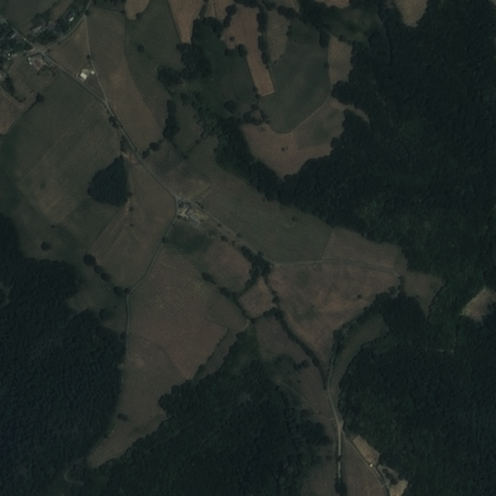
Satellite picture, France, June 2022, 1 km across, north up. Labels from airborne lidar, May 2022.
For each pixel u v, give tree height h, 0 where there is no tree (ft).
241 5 45
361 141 61
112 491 51
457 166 61
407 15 0
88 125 0
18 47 40
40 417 58
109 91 0
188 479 75
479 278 46
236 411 41
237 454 54
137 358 0
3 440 51
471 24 92
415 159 45
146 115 0
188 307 0
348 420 49
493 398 46
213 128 26
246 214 0
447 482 29
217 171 0
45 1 0
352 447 0
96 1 36
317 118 0
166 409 52
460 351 63
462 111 82
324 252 0
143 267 0
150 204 0
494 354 97
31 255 0
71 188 0
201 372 24
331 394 0
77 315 37
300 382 20
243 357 0
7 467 44
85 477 41
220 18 0
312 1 34
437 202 74
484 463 61
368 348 61
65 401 62
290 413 59
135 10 0
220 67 0
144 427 0
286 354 0
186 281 0
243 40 0
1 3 0
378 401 64
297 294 0
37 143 0
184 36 0
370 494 0
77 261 0
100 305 0
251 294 0
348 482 0
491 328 101
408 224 56
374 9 0
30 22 0
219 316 0
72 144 0
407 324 60
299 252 0
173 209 0
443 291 55
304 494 0
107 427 23
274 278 0
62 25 40
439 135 111
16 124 0
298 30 0
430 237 61
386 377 93
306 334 0
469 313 0
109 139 0
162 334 0
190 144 0
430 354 59
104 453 0
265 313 26
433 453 62
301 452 64
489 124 79
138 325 0
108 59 0
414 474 41
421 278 0
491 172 68
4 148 0
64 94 0
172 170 0
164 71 27
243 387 47
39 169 0
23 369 65
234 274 0
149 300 0
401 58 63
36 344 21
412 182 29
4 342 78
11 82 39
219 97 0
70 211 0
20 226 0
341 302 0
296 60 0
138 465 52
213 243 0
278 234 0
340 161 77
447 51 81
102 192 71
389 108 56
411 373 94
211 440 35
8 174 0
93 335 50
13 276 53
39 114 0
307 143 0
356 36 0
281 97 0
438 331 22
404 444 54
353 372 52
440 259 70
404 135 51
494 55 58
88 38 0
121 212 0
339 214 56
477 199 76
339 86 52
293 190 79
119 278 0
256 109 35
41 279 65
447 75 72
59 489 0
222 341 23
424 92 85
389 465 51
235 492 102
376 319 0
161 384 0
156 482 56
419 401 60
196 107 36
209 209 0
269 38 0
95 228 0
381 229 63
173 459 30
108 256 0
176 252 0
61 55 0
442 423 105
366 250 0
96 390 32
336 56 0
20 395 88
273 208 0
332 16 0
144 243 0
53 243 0
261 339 0
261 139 0
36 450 45
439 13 73
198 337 0
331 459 21
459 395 54
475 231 55
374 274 0
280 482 65
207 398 42
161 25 0
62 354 77
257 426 73
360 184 79
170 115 29
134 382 0
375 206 72
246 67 0
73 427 25
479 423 35
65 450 50
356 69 46
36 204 0
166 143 0
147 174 0
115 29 0
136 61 0
